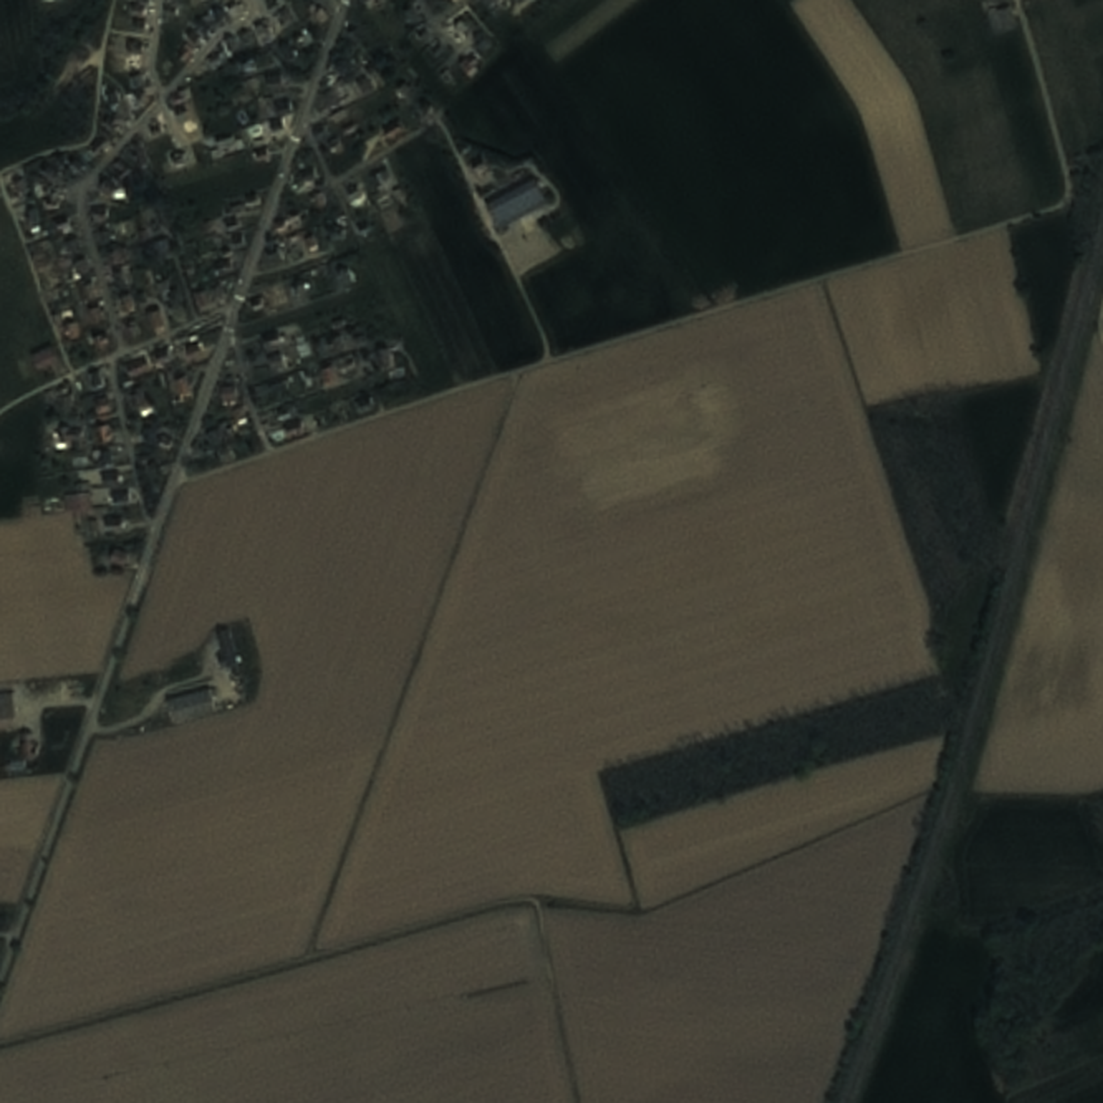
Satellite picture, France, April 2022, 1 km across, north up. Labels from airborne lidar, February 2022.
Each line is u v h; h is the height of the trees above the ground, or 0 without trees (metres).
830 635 0
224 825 0
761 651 0
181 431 0
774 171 0
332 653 0
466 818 0
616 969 0
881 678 0
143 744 0
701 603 0
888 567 0
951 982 0
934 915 0
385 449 0
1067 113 0
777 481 0
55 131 0
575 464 0
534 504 0
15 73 0
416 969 0
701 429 0
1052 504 0
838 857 0
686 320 0
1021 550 0
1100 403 0
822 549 0
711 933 0
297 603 0
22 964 0
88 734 0
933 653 15
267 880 0
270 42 0
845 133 0
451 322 0
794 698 0
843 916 0
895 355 0
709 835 0
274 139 0
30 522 0
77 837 0
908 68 0
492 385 0
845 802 0
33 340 0
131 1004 0
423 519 0
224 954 0
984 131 0
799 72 0
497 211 0
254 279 0
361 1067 0
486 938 0
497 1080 0
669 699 0
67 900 0
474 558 0
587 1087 0
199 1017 0
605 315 0
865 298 0
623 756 0
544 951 0
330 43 0
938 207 0
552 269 0
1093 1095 0
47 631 0
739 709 0
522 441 0
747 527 0
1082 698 0
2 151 0
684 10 0
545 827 0
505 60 0
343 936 0
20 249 0
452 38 0
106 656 0
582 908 0
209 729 0
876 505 0
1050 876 0
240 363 0
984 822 0
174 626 0
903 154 0
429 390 0
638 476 0
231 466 0
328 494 0
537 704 0
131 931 0
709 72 0
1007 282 0
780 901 0
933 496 0
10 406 0
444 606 0
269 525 0
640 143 0
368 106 0
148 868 0
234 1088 0
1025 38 0
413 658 0
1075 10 0
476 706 0
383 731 0
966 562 13
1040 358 9
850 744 10
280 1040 0
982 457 0
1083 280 0
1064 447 0
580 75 0
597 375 0
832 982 0
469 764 0
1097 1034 0
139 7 0
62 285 0
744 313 0
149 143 0
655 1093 0
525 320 0
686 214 0
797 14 0
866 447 0
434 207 0
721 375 0
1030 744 0
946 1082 0
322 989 0
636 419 0
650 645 0
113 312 0
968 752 0
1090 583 0
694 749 15
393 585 0
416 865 0
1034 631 0
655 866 0
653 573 0
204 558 0
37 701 0
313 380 0
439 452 0
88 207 0
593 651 0
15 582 0
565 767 0
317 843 0
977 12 0
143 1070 0
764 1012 0
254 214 0
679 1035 0
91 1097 0
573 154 0
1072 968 18
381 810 0
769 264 0
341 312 0
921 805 0
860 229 0
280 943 0
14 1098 0
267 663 0
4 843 0
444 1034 0
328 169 0
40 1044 0
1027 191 0
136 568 0
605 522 0
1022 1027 16
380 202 0
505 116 0
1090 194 14
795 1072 0
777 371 0
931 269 0
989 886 0
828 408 0
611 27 0
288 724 0
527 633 0
